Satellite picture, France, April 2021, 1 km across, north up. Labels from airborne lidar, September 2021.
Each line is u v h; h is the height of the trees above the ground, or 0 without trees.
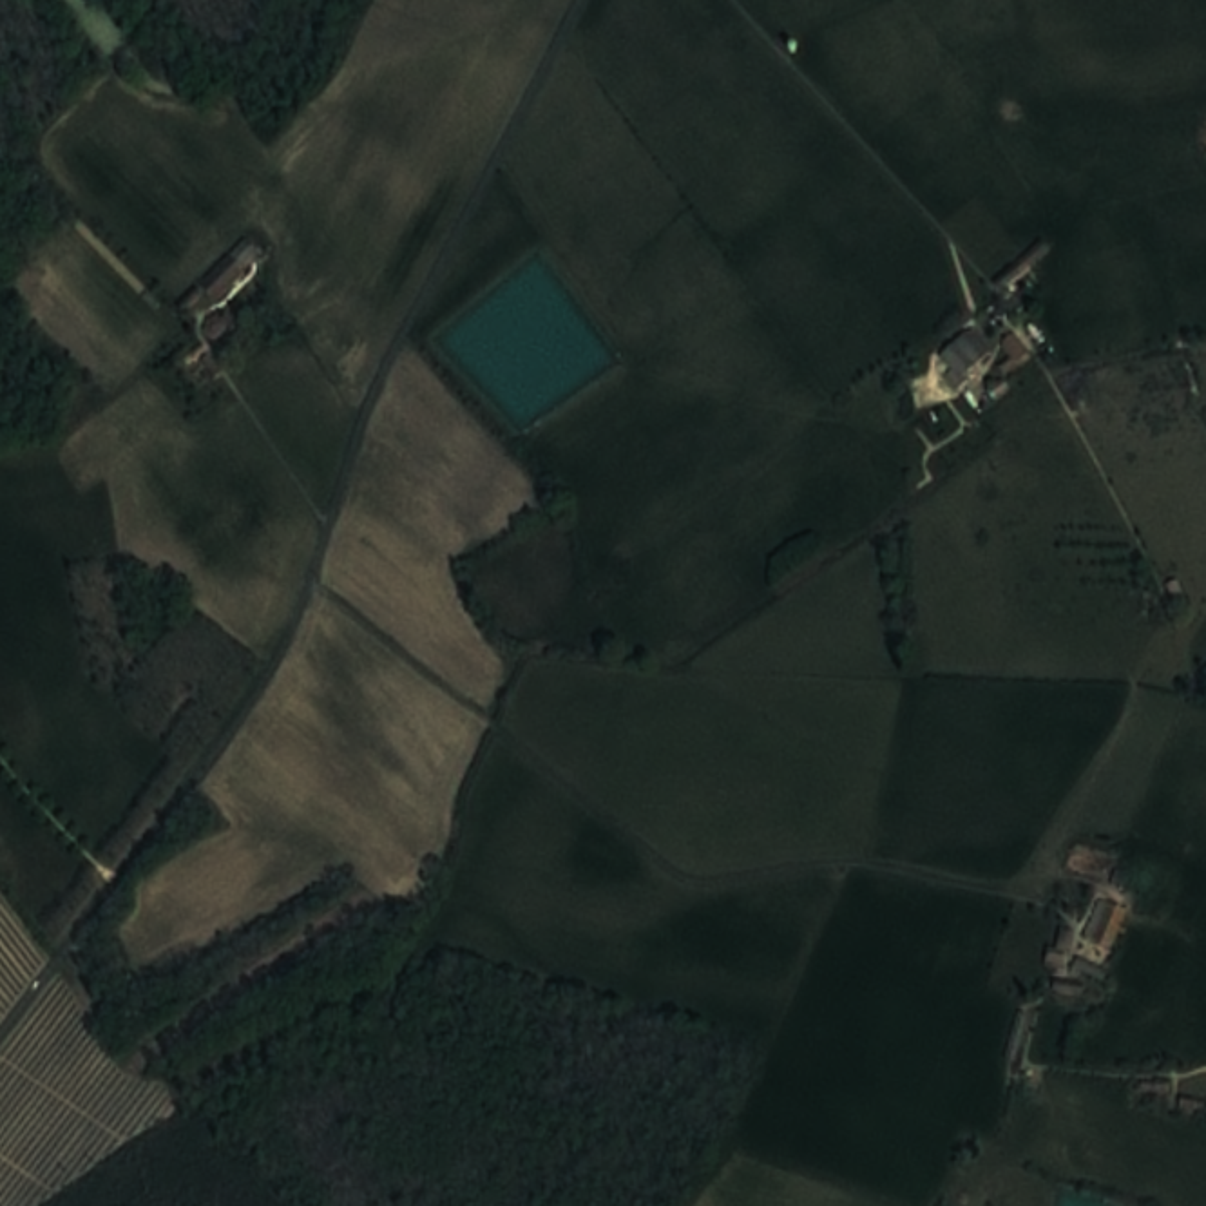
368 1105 14
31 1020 0
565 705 0
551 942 0
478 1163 18
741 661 0
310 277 0
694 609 0
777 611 0
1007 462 0
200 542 0
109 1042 16
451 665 0
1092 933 0
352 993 25
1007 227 0
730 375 0
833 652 0
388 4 0
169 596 26
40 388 26
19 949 0
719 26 0
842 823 0
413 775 0
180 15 18
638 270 0
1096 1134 0
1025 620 0
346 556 0
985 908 0
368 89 0
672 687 0
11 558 0
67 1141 0
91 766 0
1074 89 0
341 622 0
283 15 24
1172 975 0
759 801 0
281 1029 25
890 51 0
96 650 11
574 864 0
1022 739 0
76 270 0
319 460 0
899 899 0
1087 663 0
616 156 0
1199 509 0
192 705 10
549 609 0
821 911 0
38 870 0
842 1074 0
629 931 0
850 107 0
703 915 0
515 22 0
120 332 0
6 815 0
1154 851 0
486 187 0
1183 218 0
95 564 10
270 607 0
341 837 0
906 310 0
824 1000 0
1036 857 0
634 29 0
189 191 0
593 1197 17
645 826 0
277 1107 13
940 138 0
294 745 0
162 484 0
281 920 10
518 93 0
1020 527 0
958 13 0
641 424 0
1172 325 0
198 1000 18
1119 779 0
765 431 0
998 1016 0
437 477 0
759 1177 0
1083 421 0
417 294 0
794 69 0
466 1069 21
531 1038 17
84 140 0
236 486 0
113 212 0
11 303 12
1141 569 16
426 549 0
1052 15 0
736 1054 20
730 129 0
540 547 0
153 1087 0
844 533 0
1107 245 0
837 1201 0
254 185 0
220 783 0
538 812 0
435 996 19
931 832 0
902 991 0
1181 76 0
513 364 0
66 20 26
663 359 0
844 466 0
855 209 0
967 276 0
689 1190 10
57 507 0
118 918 20
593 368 0
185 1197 7
